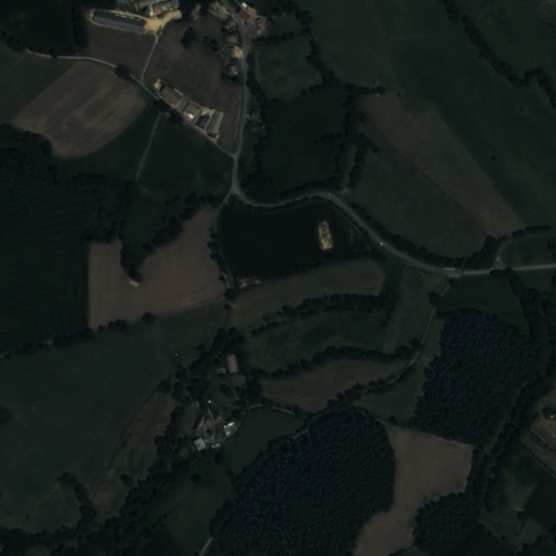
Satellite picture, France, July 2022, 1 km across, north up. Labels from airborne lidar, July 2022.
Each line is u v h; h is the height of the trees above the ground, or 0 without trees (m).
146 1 0
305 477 27
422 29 0
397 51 0
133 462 0
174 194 0
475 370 20
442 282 0
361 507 26
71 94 0
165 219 7
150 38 0
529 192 0
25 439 0
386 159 0
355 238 0
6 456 0
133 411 0
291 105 0
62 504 0
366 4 0
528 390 16
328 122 0
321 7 0
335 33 0
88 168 0
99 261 0
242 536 28
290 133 0
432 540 21
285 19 0
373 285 0
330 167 0
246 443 0
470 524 23
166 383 14
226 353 14
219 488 0
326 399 0
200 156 0
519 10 0
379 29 0
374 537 0
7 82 0
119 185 7
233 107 0
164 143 0
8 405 0
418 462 0
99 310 0
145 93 0
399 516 0
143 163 0
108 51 0
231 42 0
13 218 9
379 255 15
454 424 21
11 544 17
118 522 24
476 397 22
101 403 0
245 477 11
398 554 10
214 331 0
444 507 26
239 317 0
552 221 0
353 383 0
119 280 0
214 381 0
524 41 0
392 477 19
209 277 0
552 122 0
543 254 0
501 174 0
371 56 0
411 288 0
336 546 20
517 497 0
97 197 21
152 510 20
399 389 0
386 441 25
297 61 0
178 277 0
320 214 0
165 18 0
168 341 0
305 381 0
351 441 29
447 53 0
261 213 11
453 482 0
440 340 0
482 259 15
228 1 0
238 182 0
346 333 0
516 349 22
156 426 0
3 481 0
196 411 0
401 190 0
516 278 16
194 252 0
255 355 0
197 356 0
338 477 28
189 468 22
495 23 0
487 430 23
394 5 0
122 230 15
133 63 0
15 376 0
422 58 0
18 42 17
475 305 0
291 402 0
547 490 0
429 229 0
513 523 0
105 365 0
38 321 0
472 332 25
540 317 32
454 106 0
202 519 0
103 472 0
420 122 0
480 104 0
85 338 24
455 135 0
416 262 0
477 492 18
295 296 0
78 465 0
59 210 0
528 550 19
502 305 0
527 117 0
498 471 22
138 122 0
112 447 0
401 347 0
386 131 0
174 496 0
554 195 0
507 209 0
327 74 15
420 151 0
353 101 15
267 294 0
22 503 0
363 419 30
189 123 0
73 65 0
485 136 0
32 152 0
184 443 6
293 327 0
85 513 20
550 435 0
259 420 0
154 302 0
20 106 0
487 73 0
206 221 0
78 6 23
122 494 0
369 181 0
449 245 0
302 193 12
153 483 13
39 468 0
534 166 0
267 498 31
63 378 0
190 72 0
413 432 0
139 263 0
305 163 0
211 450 6
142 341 0
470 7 0
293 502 23
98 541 17
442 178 0
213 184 0
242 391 16
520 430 13
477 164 0
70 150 0
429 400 21
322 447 32
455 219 0
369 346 0
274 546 24
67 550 16
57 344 18
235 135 0
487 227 0
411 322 0
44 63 0
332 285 0
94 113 0
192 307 0
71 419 0
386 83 0
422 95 0
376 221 11
